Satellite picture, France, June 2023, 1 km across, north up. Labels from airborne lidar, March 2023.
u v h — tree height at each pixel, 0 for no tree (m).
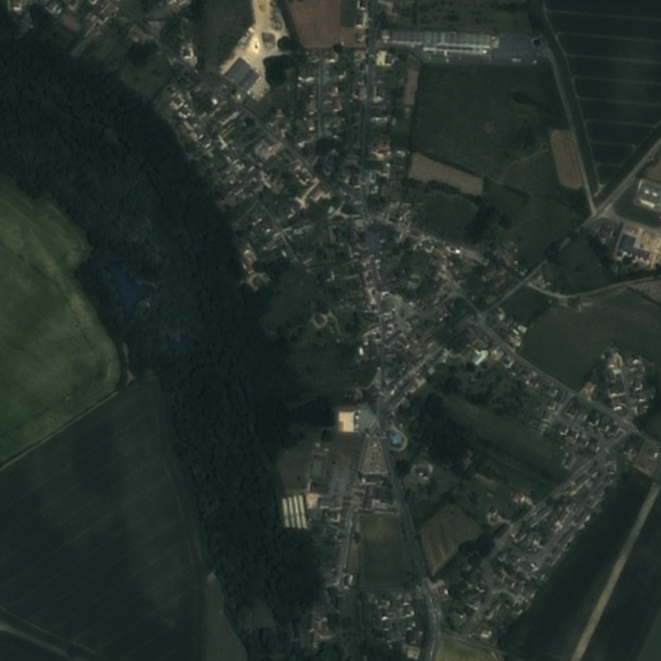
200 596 0
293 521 0
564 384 0
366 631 9
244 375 28
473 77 0
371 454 0
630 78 0
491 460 7
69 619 0
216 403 23
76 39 6
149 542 0
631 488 0
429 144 0
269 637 27
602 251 12
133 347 11
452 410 0
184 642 0
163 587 0
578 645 0
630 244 0
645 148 0
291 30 7
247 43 0
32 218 0
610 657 0
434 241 0
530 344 0
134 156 17
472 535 0
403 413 16
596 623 0
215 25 0
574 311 0
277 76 17
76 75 25
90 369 0
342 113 7
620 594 0
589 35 0
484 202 20
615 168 0
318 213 0
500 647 9
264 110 0
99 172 6
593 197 0
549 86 0
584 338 0
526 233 0
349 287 7
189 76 5
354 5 0
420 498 15
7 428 0
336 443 0
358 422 0
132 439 0
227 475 23
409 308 0
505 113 0
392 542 0
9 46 27
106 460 0
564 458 0
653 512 0
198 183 15
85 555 0
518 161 0
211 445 24
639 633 0
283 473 0
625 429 0
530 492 0
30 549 0
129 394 0
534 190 0
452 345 9
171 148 18
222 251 28
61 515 0
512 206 0
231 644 0
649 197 0
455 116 0
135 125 25
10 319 0
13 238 0
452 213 0
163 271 15
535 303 0
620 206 0
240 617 24
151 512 0
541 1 0
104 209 19
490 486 0
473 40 0
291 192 7
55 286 0
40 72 23
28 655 0
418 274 0
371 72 0
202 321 8
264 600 9
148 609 0
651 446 0
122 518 0
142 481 0
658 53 0
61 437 0
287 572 21
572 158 0
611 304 0
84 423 0
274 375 26
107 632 0
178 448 14
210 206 23
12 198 0
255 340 25
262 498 20
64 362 0
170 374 9
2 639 0
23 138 20
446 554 0
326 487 0
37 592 0
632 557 0
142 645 0
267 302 16
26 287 0
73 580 0
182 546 0
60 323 0
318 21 0
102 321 6
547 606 0
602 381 6
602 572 0
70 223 0
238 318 24
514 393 6
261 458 19
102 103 22
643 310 0
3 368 0
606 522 0
